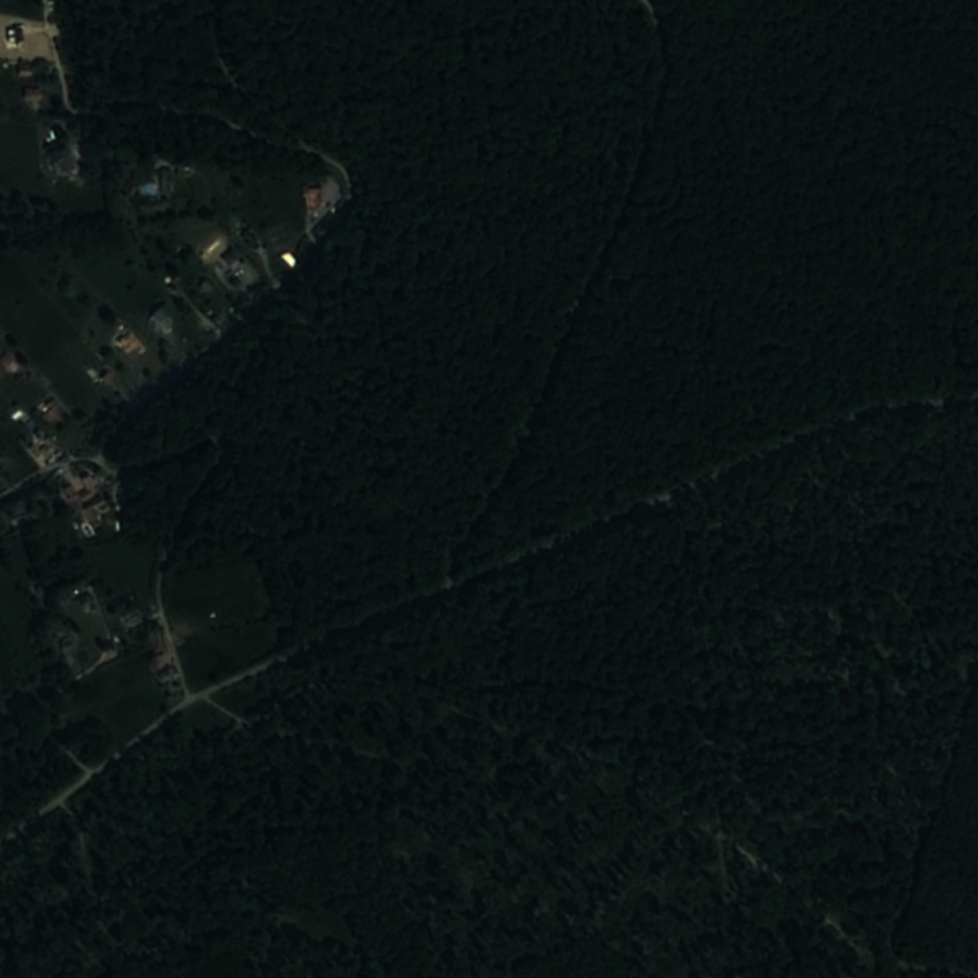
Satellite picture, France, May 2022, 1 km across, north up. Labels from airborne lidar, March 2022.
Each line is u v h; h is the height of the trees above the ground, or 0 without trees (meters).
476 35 30
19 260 0
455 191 28
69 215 0
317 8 30
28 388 0
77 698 22
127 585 0
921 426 32
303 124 31
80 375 0
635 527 28
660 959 0
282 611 19
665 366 32
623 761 25
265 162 28
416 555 32
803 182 29
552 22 25
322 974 30
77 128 9
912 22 31
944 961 19
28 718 30
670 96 26
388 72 30
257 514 31
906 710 33
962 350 29
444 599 31
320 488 31
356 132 29
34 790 31
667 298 29
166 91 30
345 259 31
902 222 31
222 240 0
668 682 30
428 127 32
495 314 28
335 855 28
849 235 31
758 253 29
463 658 35
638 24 25
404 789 33
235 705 0
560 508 28
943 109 29
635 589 22
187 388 33
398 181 32
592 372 28
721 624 30
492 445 28
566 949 17
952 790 20
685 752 25
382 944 25
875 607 31
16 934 31
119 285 0
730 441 28
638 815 30
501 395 29
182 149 28
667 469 28
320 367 32
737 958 32
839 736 29
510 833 32
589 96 29
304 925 0
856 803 31
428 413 29
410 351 28
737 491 29
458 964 31
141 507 25
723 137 31
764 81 33
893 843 31
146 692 0
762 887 26
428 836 32
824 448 28
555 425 29
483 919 31
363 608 28
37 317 0
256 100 29
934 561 30
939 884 20
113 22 32
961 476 29
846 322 30
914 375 26
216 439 0
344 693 32
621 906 29
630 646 29
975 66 29
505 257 31
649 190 27
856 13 30
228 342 14
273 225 0
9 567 17
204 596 0
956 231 29
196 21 23
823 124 30
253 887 27
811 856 30
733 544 30
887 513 27
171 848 33
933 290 29
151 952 32
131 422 30
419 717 31
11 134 0
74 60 16
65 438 0
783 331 32
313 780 33
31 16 0
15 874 34
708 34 26
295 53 26
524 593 29
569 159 29
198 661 0
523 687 24
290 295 28
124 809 30
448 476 33
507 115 27
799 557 33
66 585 16
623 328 31
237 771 30
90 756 30
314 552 32
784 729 33
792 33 29
